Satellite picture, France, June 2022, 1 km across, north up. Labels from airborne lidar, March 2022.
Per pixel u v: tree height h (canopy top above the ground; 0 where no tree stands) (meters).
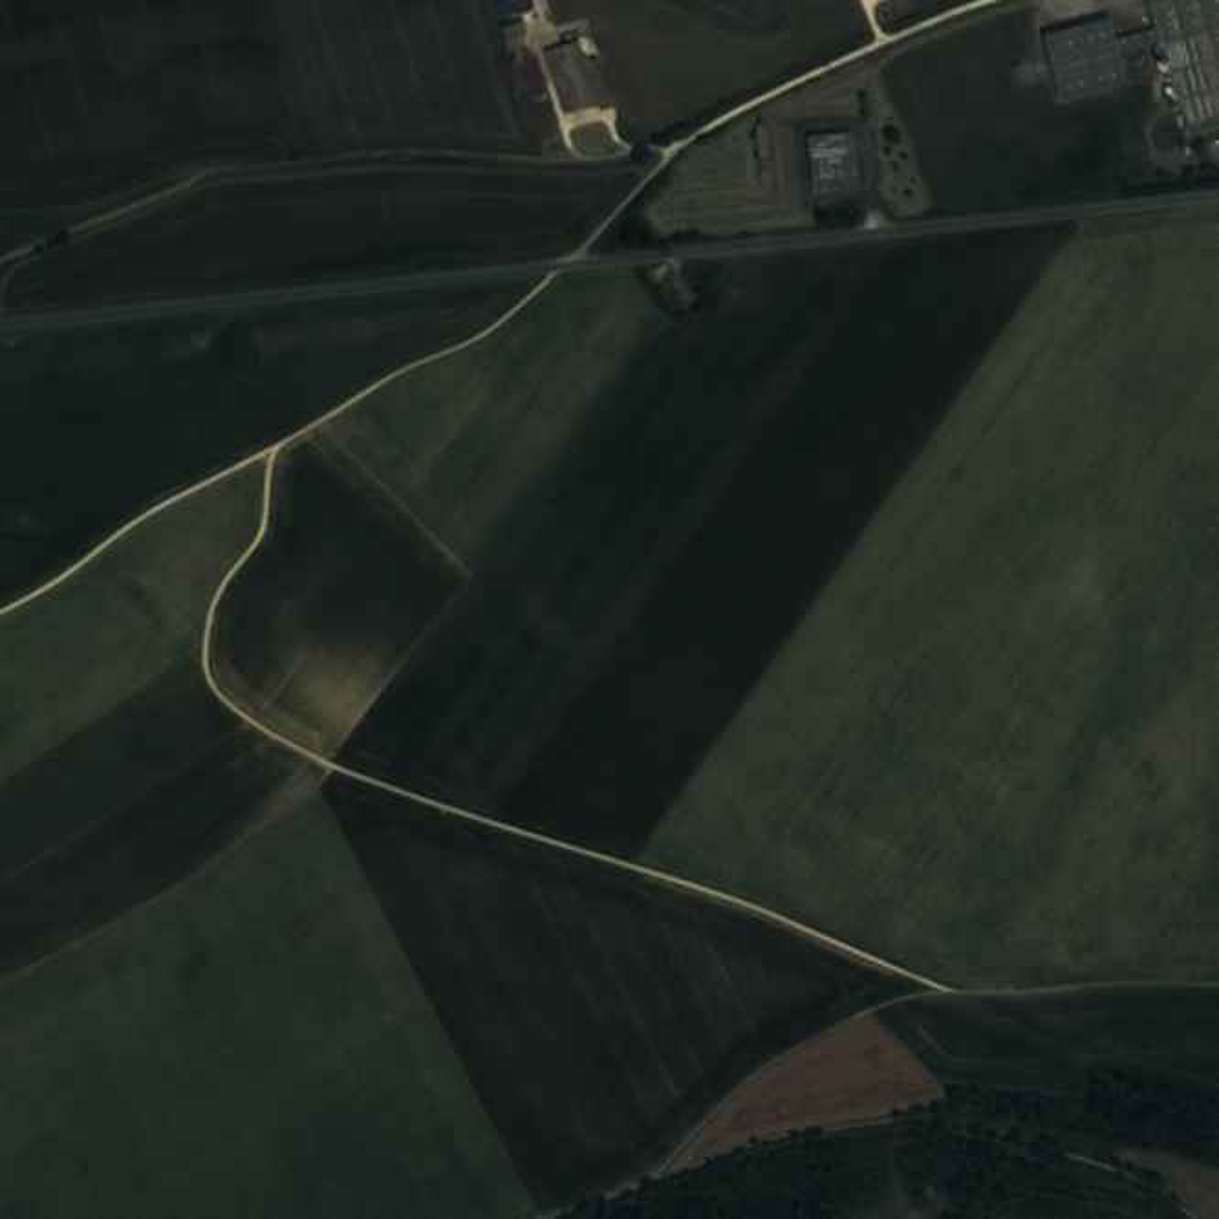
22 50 0
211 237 0
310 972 0
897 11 0
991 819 0
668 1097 0
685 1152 0
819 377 0
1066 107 0
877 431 0
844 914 0
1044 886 0
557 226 0
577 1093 0
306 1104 0
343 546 0
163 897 0
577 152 0
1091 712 0
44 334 0
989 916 0
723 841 0
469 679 0
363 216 0
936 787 0
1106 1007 0
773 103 0
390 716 0
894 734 0
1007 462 0
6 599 0
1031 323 0
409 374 0
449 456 0
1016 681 0
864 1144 0
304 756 0
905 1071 0
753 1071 0
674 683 0
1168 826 0
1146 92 0
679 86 0
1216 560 0
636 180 0
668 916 0
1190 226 0
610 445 0
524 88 0
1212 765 0
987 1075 0
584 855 0
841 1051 0
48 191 0
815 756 0
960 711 0
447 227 0
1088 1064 0
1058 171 0
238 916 0
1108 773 0
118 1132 0
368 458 0
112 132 0
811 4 0
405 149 0
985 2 0
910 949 0
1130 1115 18
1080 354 0
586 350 0
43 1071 0
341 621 0
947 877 0
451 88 0
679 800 0
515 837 0
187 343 0
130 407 0
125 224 0
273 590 0
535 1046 0
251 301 0
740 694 0
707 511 0
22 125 0
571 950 0
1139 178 0
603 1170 0
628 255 0
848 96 0
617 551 0
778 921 0
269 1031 0
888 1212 0
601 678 0
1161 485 0
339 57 0
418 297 0
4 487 0
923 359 0
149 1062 0
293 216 0
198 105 0
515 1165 0
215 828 0
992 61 0
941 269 0
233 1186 0
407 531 0
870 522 0
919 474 0
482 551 0
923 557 0
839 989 0
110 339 0
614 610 0
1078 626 0
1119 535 0
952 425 0
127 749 0
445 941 0
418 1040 0
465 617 0
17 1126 0
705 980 0
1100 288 0
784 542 0
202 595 0
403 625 0
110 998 0
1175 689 0
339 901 0
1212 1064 0
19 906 0
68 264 0
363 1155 0
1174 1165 0
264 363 0
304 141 0
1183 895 0
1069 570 0
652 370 0
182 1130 0
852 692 0
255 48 0
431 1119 0
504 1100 0
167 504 0
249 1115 0
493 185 0
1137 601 0
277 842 0
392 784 0
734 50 0
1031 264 0
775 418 0
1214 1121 22
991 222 0
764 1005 0
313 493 0
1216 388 0
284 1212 0
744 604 0
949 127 0
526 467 0
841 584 0
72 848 0
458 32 0
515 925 0
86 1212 0
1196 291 0
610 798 0
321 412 0
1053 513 0
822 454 0
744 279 0
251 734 0
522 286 0
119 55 0
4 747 0
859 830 0
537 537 0
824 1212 16
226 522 0
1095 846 0
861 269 0
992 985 0
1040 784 0
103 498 0
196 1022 0
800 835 0
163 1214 0
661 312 0
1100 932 0
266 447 0
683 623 0
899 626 0
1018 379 0
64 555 0
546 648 0
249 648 0
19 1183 0
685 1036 0
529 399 0
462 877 0
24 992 0
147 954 0
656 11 0
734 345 0
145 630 0
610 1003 0
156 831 0
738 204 0
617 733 0
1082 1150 0
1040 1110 15
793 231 0
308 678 0
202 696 0
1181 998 0
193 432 0
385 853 0
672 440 0
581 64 0
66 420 0
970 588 0
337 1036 0
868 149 0
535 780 0
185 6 0
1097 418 0
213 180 0
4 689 0
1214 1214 0
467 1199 0
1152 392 0
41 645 0
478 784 0
